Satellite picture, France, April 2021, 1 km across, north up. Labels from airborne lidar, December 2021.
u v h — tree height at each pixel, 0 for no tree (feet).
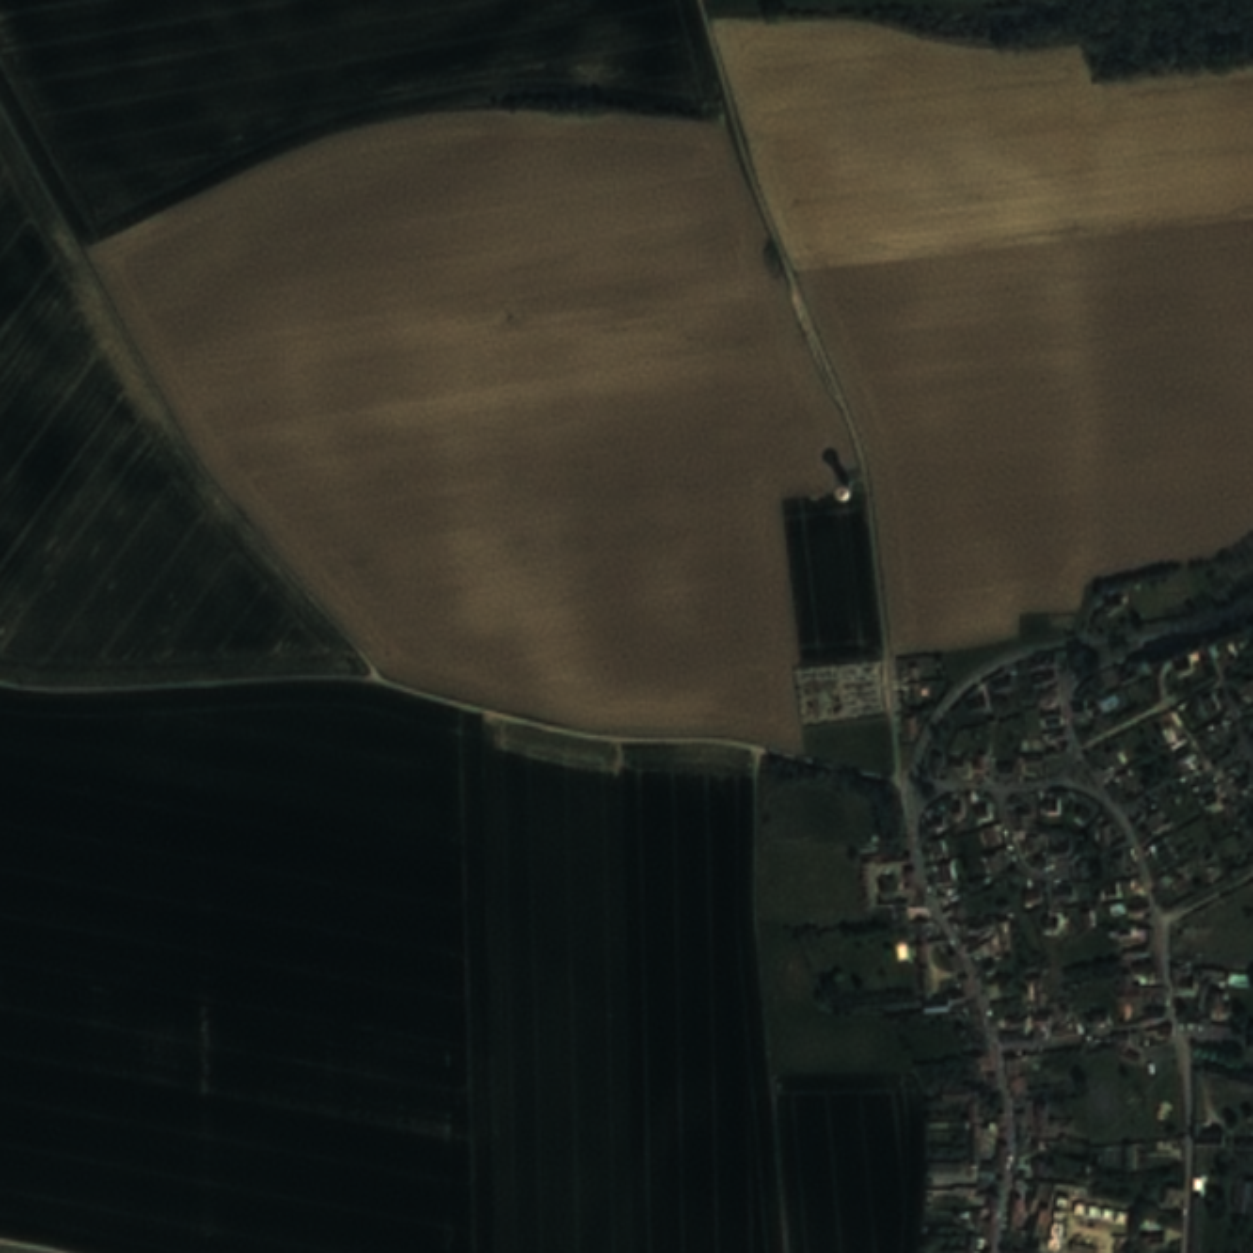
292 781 0
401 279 0
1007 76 0
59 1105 0
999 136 0
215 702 0
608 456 0
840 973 20
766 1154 0
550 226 0
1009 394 0
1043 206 0
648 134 0
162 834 0
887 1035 0
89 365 0
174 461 0
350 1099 0
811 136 0
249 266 0
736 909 0
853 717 0
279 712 0
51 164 0
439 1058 0
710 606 0
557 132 0
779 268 0
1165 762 31
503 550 0
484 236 0
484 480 0
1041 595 0
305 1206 0
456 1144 0
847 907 0
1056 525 0
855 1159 0
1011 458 0
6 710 0
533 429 0
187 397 0
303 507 0
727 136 0
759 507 0
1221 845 21
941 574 0
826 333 0
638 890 0
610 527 0
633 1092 0
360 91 0
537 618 0
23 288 0
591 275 0
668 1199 0
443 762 0
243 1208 0
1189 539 0
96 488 0
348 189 0
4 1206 0
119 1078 0
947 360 0
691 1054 0
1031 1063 0
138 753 0
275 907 0
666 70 0
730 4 0
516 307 0
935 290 0
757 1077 0
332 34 0
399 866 0
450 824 0
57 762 0
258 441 0
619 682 0
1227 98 0
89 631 0
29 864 0
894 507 0
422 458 0
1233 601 53
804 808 0
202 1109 0
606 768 0
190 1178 0
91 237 0
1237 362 0
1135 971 22
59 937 0
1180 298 0
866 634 0
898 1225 0
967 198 0
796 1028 0
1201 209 0
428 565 0
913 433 0
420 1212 0
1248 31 70
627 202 0
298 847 0
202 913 0
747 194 0
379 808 0
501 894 0
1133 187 0
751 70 0
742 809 0
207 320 0
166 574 0
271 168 0
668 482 0
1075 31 67
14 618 0
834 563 0
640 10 0
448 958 0
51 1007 0
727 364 0
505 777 0
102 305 0
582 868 0
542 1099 0
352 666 0
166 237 0
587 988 0
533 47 0
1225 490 0
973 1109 0
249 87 0
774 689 0
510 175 0
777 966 0
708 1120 0
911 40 0
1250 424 0
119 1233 0
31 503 0
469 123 0
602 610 0
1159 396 0
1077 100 0
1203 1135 0
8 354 0
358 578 0
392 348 0
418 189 0
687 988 0
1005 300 0
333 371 0
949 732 35
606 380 0
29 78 0
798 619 0
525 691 0
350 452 0
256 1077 0
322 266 0
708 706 0
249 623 0
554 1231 0
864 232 0
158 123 0
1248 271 0
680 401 0
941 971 0
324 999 0
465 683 0
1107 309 0
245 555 0
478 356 0
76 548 0
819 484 0
